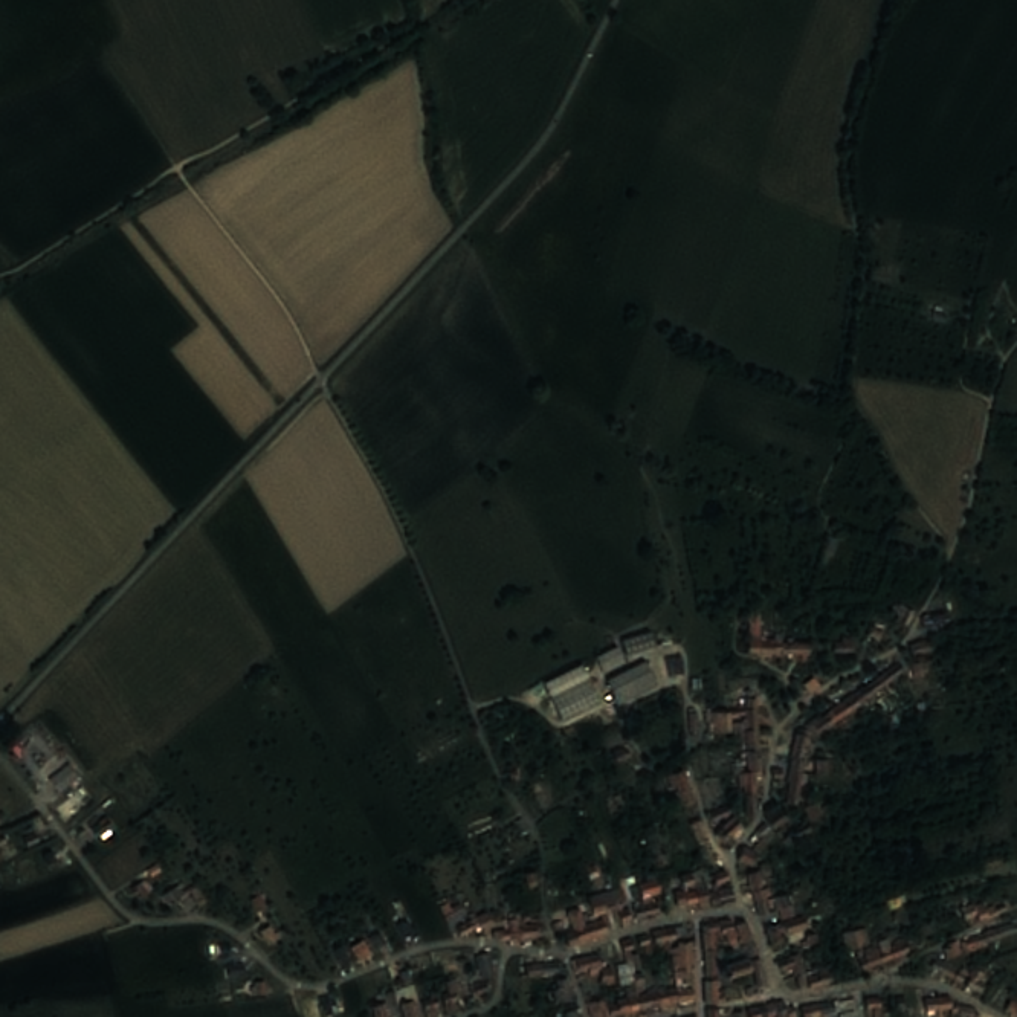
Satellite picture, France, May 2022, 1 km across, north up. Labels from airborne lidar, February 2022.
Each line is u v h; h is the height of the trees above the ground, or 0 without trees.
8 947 0
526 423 0
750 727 0
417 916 0
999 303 0
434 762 0
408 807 0
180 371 0
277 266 0
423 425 0
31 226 0
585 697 0
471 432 0
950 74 0
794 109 0
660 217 0
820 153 0
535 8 0
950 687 14
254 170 0
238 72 0
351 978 0
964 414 0
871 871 12
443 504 0
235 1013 0
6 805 0
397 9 0
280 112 12
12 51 0
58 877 0
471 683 0
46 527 0
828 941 0
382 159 0
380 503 0
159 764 0
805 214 0
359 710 0
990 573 0
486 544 0
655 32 0
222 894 11
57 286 0
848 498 0
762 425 0
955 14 0
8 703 0
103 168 0
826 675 11
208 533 0
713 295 0
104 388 0
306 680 0
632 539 0
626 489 0
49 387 0
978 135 0
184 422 0
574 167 0
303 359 0
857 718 7
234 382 0
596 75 0
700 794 0
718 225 0
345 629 0
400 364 0
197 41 0
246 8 0
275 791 7
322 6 0
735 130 0
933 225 0
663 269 0
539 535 0
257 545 0
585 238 0
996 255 0
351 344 0
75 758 0
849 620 9
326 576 0
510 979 0
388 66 5
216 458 0
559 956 0
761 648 0
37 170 0
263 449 0
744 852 0
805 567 8
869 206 0
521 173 0
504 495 0
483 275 0
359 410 0
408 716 0
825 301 0
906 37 0
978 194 0
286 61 0
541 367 0
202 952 0
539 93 0
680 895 0
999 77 0
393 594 0
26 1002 7
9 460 0
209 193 0
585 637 0
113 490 0
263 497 0
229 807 0
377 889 0
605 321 0
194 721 0
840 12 0
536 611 0
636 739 20
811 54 0
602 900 0
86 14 0
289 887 0
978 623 6
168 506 0
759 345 0
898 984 0
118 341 0
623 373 0
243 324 0
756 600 14
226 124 0
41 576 0
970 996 0
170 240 0
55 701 0
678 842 0
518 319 0
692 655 0
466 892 0
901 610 0
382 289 0
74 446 0
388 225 0
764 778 0
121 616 0
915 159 0
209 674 0
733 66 0
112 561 0
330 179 0
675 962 0
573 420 0
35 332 0
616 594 0
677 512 0
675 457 0
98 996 0
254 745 9
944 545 9
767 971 0
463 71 0
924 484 0
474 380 0
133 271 0
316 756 0
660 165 0
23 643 0
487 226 0
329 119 0
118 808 0
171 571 0
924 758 10
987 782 10
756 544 7
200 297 0
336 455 0
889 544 14
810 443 0
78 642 0
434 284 0
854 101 11
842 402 10
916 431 0
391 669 0
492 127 0
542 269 0
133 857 0
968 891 7
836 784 0
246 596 0
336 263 0
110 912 0
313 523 0
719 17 0
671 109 0
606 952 0
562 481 0
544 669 0
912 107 0
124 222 0
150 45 0
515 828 5
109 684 0
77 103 0
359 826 0
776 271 0
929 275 0
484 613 0
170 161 0
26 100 0
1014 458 0
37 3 0
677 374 0
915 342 0
